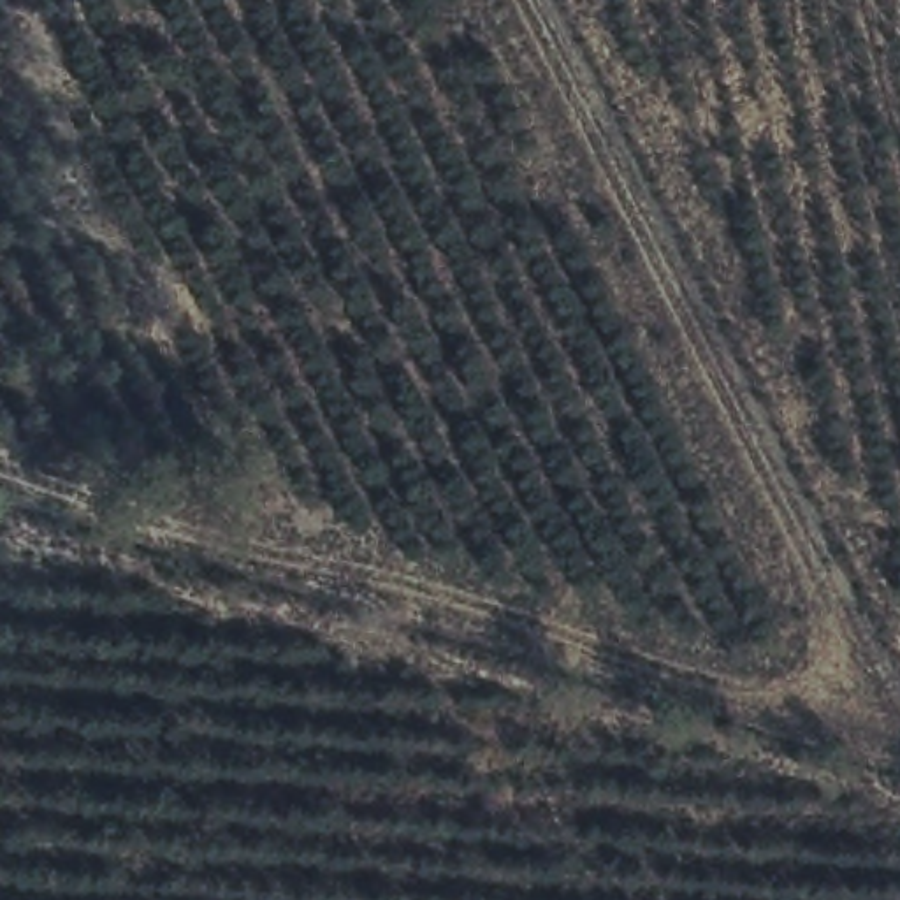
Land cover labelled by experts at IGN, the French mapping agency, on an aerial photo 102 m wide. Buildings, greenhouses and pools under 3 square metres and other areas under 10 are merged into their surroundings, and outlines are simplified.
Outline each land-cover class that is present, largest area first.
<instances>
[{"label":"coniferous trees","instance_id":"1","mask_svg":"<svg viewBox=\"0 0 900 900\"><path fill-rule=\"evenodd\" d=\"M88 4V18L74 21L70 28L74 56L81 63V74L74 81L81 95L95 98L98 113H105L102 130L84 123L77 127V141H63L49 123L28 144L46 197L56 193V186L63 183V165L81 162L95 186H109V197L120 211L113 225L134 243V250L148 253V260L158 264L169 257L172 271L204 313L214 306L221 278L236 295V306H250L253 292L246 271L236 260V243L218 225H211V264L197 267L200 250L190 246L186 225L176 218L169 197H162V179L176 176V197H190L193 204L204 197L207 186L218 190V207L236 221H243L257 204H271L274 221L288 225L281 253L302 246L306 229H320L323 236H330L327 214L313 197L309 176L302 172V162L309 155L302 151L299 137L292 130H281L278 113H271L264 98L257 116L250 120L239 109L236 88L250 77V63L264 60L274 70L285 95L302 81L306 70H313V91L302 105V116L316 127L320 151L327 155L320 162L323 179L341 186L366 169L394 165V155L380 141L376 120L362 123L355 116L345 91V77L338 74V56L345 49L327 39L313 14L348 21L355 32L390 28L404 46L408 39L432 46L454 35L461 0H165L169 32L183 42V56L162 60L144 81H137L130 91H113L95 49V25L102 21L105 28H116L120 21L109 0H81ZM197 81H207L214 88V105L221 113L218 134H197V144H232L229 162L200 176L183 158L179 130H200L204 109H176L179 127H165L162 113L151 109V102L165 91ZM675 63H721L714 42L707 28V0H689L686 25H668ZM766 46L777 56V81L791 105V151L805 176L819 169V158L812 151L809 105L805 88L798 84L791 39L784 32L780 14L773 11V0H759ZM809 49L819 67L837 60L840 70H865L861 42L858 32L851 39H840L833 32L837 18L854 21V14L851 0H802ZM738 67L745 70V67H756V53H752V39H749V25H745V14L738 18V35H731V39ZM622 63L633 67L654 95L668 88L657 74L650 42L626 39L622 56ZM348 60L355 74L369 81L362 84V95L369 98V109H380L390 123L404 172L422 190V204H408L401 193L380 190L369 200L355 204V229L348 232V239L334 243V274L320 278V267L306 264L299 271H274L267 278V292L278 295V330L292 334V348L306 366L309 383L316 387L320 415L330 418L334 436L316 432V425L306 422L309 408L302 404V390L292 383L281 355H236V373H229L236 397L229 401L218 394V376L225 369L214 355V330H193L190 338L176 341V352L190 362L200 373V383L211 390V397L204 401V418L211 425L218 418L232 429H243L246 436L264 432L267 446L278 457V471L288 478L292 492L309 510L323 506V499L316 496V482L302 478L299 454L292 450L295 443L278 425L281 418H288L299 439L306 443L309 461L327 468L334 489V499L327 506L352 531L380 524L383 538L401 552L411 559L418 548H432L436 555L461 548L468 559H478V573L485 584L506 591L499 552L513 541V555L524 566V573H541L538 548L545 545L559 573H570L566 584L577 587L580 601L601 605L598 587H608L626 608L629 629L657 626L668 615L675 633L696 636L700 622L682 608V601L671 612L650 608L661 594H675V584L686 580L696 601H707L714 608L710 626L714 640L731 629L728 601L717 587V570L724 563L731 566L735 587L745 601V619L759 629H780L770 608L773 601L749 570L735 563L738 552L724 541V531H717V510L710 499L696 506L700 520L675 524L682 489L700 482L696 468L689 464L679 443L675 422L664 415L657 401V383L650 380L640 352L633 348V327L615 313L605 278L591 267L587 246L570 229L548 236L555 253H545L541 229L534 221H510L499 211L506 200L520 197L513 183L517 169H510L506 162L485 165L482 151L468 155L457 141L443 137L436 116L418 130L411 127V109H432L411 53H404L394 63H380L369 49H352ZM429 246L443 253L454 285L464 281L475 288L482 320L492 327L489 355L468 359L461 376L446 373L436 341L422 330V313L415 299L397 302V323L394 330H383L376 323V299L362 281V264L373 260V267L383 274L390 253H411L422 288L439 295V281L432 278V264L425 257ZM573 271L587 274V295L594 299V313L612 330L615 345H598L591 330H584L580 309L566 292V278ZM524 274L534 288L548 285L552 302L563 316L559 330L584 352L591 366V383L598 387L594 397L608 422L619 411V390L605 376V362L619 359V366L633 380L636 397L643 401V418L633 429H626V446L633 457L629 478L619 475L605 478L601 485L587 482L591 468H598L608 457V443L594 439L587 418H580V394L587 387H580V373L566 376L573 366L563 352L548 348L531 306L524 309V316H506L496 295V281H510L517 295V278ZM295 285H306L313 292V306H323L330 292L341 295L345 320L366 323L369 348L355 355V380L338 376V366L327 352V338L309 327L306 313H299V302L292 299ZM408 348L418 352L415 362L418 373L429 380V394L454 408L446 422V443L454 446L461 464L450 468L443 461L432 464L425 457L415 471V461L404 450H397L394 461L408 489V506H369V489L383 482V468L373 443L376 432H359V411H383V394L376 390L373 373L383 362L404 355ZM503 373L517 380L520 397L538 401L534 415L492 408L485 418L475 408V397L489 383H499ZM439 88L454 102L450 116L457 123H475L482 116L478 88L492 84L503 105V127L524 130L510 102V88L499 81L496 63L489 60L478 67L454 63L436 70ZM717 130L731 137V148L724 151L731 158V179L742 176L749 169L752 148H742L738 141L731 88L724 81L714 84ZM823 120L830 127L837 190L854 225V246L868 250L872 295L886 341V359L872 366L875 376L886 383V408L872 415L868 397L851 401L865 461L861 468L851 464L847 443H833L830 464V471L847 485H868L872 478H882V496L875 499V506L893 524L900 520V253L882 243L879 207L900 204V109L889 120H879L872 102L840 95L837 84L823 91ZM0 190L25 218L39 267L49 278L53 302L60 306L63 320L70 323L84 352L95 355L102 334L109 330L116 295L105 281V267L98 257L102 243L84 236L77 246L98 306L88 320H81L70 274L49 246V225L32 204L14 169V158L0 144ZM795 207L784 193L777 148L770 151V176L763 179V193L749 197L745 239L766 299V341L795 345L784 330V316L777 306L780 299L791 295L805 323H816L823 316V306L816 302L812 253L798 250V288L788 292L777 278L773 243L791 236L798 243L791 214ZM703 172L693 179L700 186V200L714 214H721L728 190L721 183L714 155H696ZM4 281L14 288L18 309L28 316L35 338L42 341L49 373L56 380H70L77 366L63 355L60 338L42 323L32 292L21 278V267L14 260L4 264ZM151 341L120 338V352L98 373V387L105 394L116 390L120 373L134 366L137 387L148 397L158 432L172 429V415L165 408L162 383L155 380L144 359V348ZM49 418L35 383L28 380L25 355L14 348L0 362V446L11 450L14 439L18 446H25L35 432H42ZM404 422L408 432L422 436L436 425V418L404 376ZM113 439L141 443V429L134 418L102 422L98 415H84L77 446L81 461L95 446H105ZM0 601L21 608H91L98 615H169L190 608L186 601L169 598L165 591L148 587L144 594H130L0 584ZM334 643L316 636L302 647L190 640L109 643L11 626L0 629V650L98 661L165 657L183 664L229 668L236 661L320 664ZM0 686L91 689L120 696L134 693L151 700H214L264 707L278 703L306 710H418L443 714L446 721H457V728L464 731V738H418L345 735L309 728H250L193 717L88 721L53 710L0 714V731H67L81 738L158 742L221 738L239 745L278 749H341L446 759L457 756L471 763L475 752H482V738L468 735L475 721L492 728L499 717H513L517 724L545 721L555 728L587 724L591 721L594 703L601 696L598 693L587 686L570 689L563 679L548 682L541 696L499 686L496 696L471 700L429 693L327 686L288 689L271 682L214 686L105 671L67 675L0 668ZM710 721L707 714L671 707L647 738L661 742L664 752L654 773H647L643 788H584L587 805L636 809L647 816H686L693 823L710 826L721 819L749 816L788 823L833 819L847 826H868L879 805L872 795H833L819 788L816 802L671 795V773H721L735 759L700 742ZM517 752L524 766H570L573 763V752L566 749L520 745ZM0 770H74L113 777L169 773L190 784L236 780L288 788L404 791L422 798L475 795L489 802L499 788L489 784L485 773L471 770L464 780H457L436 773L404 777L390 770H309L281 763L243 766L207 759L176 763L74 752H0ZM570 788V784L513 791V805H548L563 802ZM0 809H49L84 819L123 816L200 823L207 830L253 826L281 833H352L506 847L563 844V861L555 865H492L274 851L253 844L197 847L186 840H151L120 833L74 837L56 830H0V847H53L105 858L102 875L0 868V886L70 896L127 893L193 900H387L362 893H302L281 886L257 889L183 879L144 882L134 872L155 858L186 865H288L323 872H383L415 879H485L520 886H577L629 893L657 889L742 900H900V889L650 875V854H696L752 865L788 861L819 868H872L868 851H819L802 844H714L577 826H545L366 819L348 816L341 809H190L176 798L127 802L0 791Z\"/></svg>","mask_w":900,"mask_h":900},{"label":"bare soil","instance_id":"2","mask_svg":"<svg viewBox=\"0 0 900 900\"><path fill-rule=\"evenodd\" d=\"M88 18V4L81 0H0V70L14 67L25 81L39 88V109L49 123L63 141H77V127L84 123L102 130L105 113H98L95 98L81 95L74 81L81 74V63L74 56L70 28L74 21ZM120 21L127 25L134 49L144 56V63L134 70L137 81H144L162 60L183 56V42L169 32L165 0H109ZM545 14V35L559 42V56L570 77L580 84V95L594 109L605 137L612 141L640 200L647 204V214L654 218V229L671 257L689 309L710 334L707 352L724 366V394L731 401H742V415L756 429L752 450L763 461H773L780 471L788 468V475H780L788 503L798 510V520L809 527L812 541H826L823 563L833 570L823 584L847 605V612L844 622L837 615H809V668L788 671L770 682L724 671L717 693L728 700L731 714H759L773 703H784L788 696H798L809 703V710L819 714L823 728L830 731V749L802 752L798 759H791L773 752L749 731H728L710 721L700 742L735 759L759 763L766 773L812 780L819 788L833 795H872L879 805H889L900 795V520L893 524L875 506V499L882 496V478H872L868 485H847L830 471V464L812 446L809 422L830 411L833 443H847L851 464L861 468L865 461L851 401L840 397L851 390L847 376L830 380V373L823 369L816 373L819 404L809 408L805 383L795 376V345L766 341V323L752 320L742 309V257L735 253L724 232L721 214H714L700 200V186L693 179L703 172L696 155H714L721 183L728 190L731 179V158L724 151L731 148V137L717 130L714 84L703 81L696 102L700 130L682 127V113L671 105L668 88L654 95L633 67L622 63V56L612 49V35L601 28V0H538ZM745 14V25H749V39H752V53H756V67H745V70L738 67L731 39L724 35L714 42L721 63L724 81L731 88L738 141L742 148H752L749 169L742 176L749 197L763 193V179L770 176V151L777 148L784 193L795 207L791 214L798 243V250L812 253L816 302L823 306V316L816 323H805L791 295L780 299L777 306L784 316V330L795 345L802 338L819 341L833 334L830 313H837V302L830 253H851L854 246V225L837 190L830 127L823 120V91L819 67L809 49L802 0H773V11L780 14L784 32L791 39L798 84L805 88L809 105L812 151L819 158V169L805 176L791 151V105L777 81V56L766 46L759 0H742ZM809 190L823 193V204L833 221L826 250H816L809 229ZM833 32L840 39H851L858 32L861 42L886 46V35L879 28H868V18H861L858 11L854 14V21L837 18ZM327 39L345 49L338 56V74L345 77V91L355 116L362 123L376 120L380 141L394 155V165L366 169L341 186L323 179L320 162L327 155L320 151L316 127L302 116V105L313 91V70H306L302 81L285 95L274 70L264 60L250 63V77L236 88L239 109L250 120L257 116L264 98L271 113H278L281 130H292L299 137L302 151L309 155L302 162V172L309 176L313 197L327 214L330 236H323L320 229H306L302 246L281 253L288 225L274 221L271 204H257L243 221H236L218 207V190L207 186L204 197L193 204L190 197H176V176L162 179V197H169L176 218L186 225L190 246L200 250L197 267L211 264V225H218L236 243V260L246 271L253 292L250 306H236V295L221 278L214 306L204 313L172 271L169 257L158 264L148 260V253L134 250V243L113 225L120 211L109 197V186H95L81 162L63 165V183L56 186V193L46 197L28 144L18 137L14 123L0 127V144L14 158V169L32 204L49 225V246L70 274L81 320H88L98 306L77 246L84 236L102 243L98 257L105 267V281L116 295L109 330L120 338L151 341L179 369H186L190 362L176 352V341L190 338L193 330H214V355L225 369L218 376V394L229 401L236 397L229 373H236V355H281L292 383L302 390V404L309 408L306 422L316 425V432L334 436L330 418L320 415L316 387L309 383L306 366L292 348V334L278 330V295L267 292V278L274 271H299L306 264L320 267V278L334 274V243L348 239V232L355 229V204L369 200L380 190L401 193L408 204H422V190L404 172L390 123L380 109H369V98L362 95V84L369 81L355 74L348 60L352 49H369L380 63H394L404 53H411L432 109H411V127L418 130L436 116L443 137L457 141L468 155L482 151L485 165L506 162L510 169H517L527 148H534V137L524 130L503 127V105L492 84L478 88L482 116L475 123H457L450 116L454 102L439 88L436 70L454 63L478 67L489 60V49L478 39L454 35L432 46L408 39L404 46L390 28L355 32L348 21L313 14ZM204 109L200 130H179L183 158L200 176L229 162L232 144H197V134H218L221 113L214 105V88L207 81H197L165 91L151 102V109L162 113L165 127H179L176 109ZM499 211L510 221H534L541 229L545 253H555L548 236L570 229L566 214L555 204L520 197L506 200ZM425 257L432 264V278L439 281V295L422 288L411 253H390L383 274L373 267V260L362 264V281L376 299V323L383 330H394L397 323V302L415 299L422 313V330L436 341L446 373L461 376L468 359L489 355L492 327L482 320L475 288L464 281L454 285L443 253L429 246ZM566 292L580 309L584 330H591L598 345H615L612 330L594 313V299L587 295V274L573 271L566 278ZM496 295L506 316H524V309L531 306L548 348L563 352L573 366L566 376L580 373V387H587L580 394V418H587L594 439L608 443V457L598 468H591L587 482L601 485L605 478L619 475L629 478L633 457L626 446V429H633L643 418V401L636 397L633 380L619 366V359L605 362V376L619 390V411L608 422L594 397L598 387L591 383V366L584 352L559 330L563 316L552 302L548 285L534 288L524 274L517 278V295L510 281H496ZM313 292L306 285H295L292 299L299 302V313H306L309 327L327 338V352L338 366V376L355 380V355L369 348L366 323L345 320L341 295L330 292L323 306H313ZM418 352L408 348L404 355L383 362L373 373L376 390L383 394V411H359V432H376L373 443L383 468V482L369 489V506H408V489L394 461L397 450H404L415 461V471L425 457L432 464L443 461L450 468L461 464L454 446L446 443V422L454 408L429 394V380L418 373L415 362ZM404 376L436 418V425L422 436L408 432L404 422ZM475 408L485 418L492 408L534 415L538 401L520 397L517 380L503 373L499 383H489L475 397ZM278 425L295 443L292 450L299 454L302 478L316 482V496L323 499V506L309 510L292 492L264 499V513H288L295 527L309 534L323 531V520L334 513L327 506L334 499V489L327 468L309 461L306 443L299 439L288 418H281ZM0 492L11 503L42 499V482L35 478L25 475L21 461L11 457V450L0 446ZM710 499L707 485L700 482L682 489L675 524L700 520L696 506ZM21 552H32L39 559L49 555L77 566H98L88 538L49 534L46 527L21 520L7 534V545H0V563H18ZM141 541L120 545L102 566L144 577L148 587L165 591L169 598L186 601L190 608H204L214 619H278L281 626L309 629L316 636L334 643L345 650L348 668L380 657H401L408 668H418L425 679H432L471 675L499 686L541 696L548 682L475 657H461L446 647L408 640L415 622L401 608V594L376 591L359 573H348V566H341L330 570V584L320 591L359 605L362 619H341L320 615L309 605L243 598L236 584H176L172 577L158 573L148 559H137ZM717 587L728 601L731 629L714 640L717 647L735 650L759 629L745 619V601L735 587L731 566L724 563L717 570ZM682 601V608L700 622L710 626L714 608L707 601H696L686 580L675 584V594H661L650 608L671 612ZM612 675L601 668L594 650L577 668H570L563 679L570 689L587 686L598 693L608 686ZM671 707H615V700L601 696L594 703L591 721L647 738Z\"/></svg>","mask_w":900,"mask_h":900},{"label":"brushwood","instance_id":"3","mask_svg":"<svg viewBox=\"0 0 900 900\"><path fill-rule=\"evenodd\" d=\"M745 14L742 0H707V28L714 42L724 35L731 39V35H738V18ZM657 21V35L650 42L657 74L668 88L671 105L682 113V127L700 130L696 102L703 81L714 84L724 81L721 63H675L668 25L664 4H643ZM95 49L113 91H130L137 81L134 70L144 63V56L134 49L127 25L120 21L116 28H105L102 21L95 25ZM14 123L18 137L28 144L49 123L39 109V88L25 81L14 67L0 70V127ZM14 260L21 267V278L32 292L42 323L60 338L63 355L77 366L70 380H56L49 373L42 341L35 338L28 316L18 309L14 288L4 281V264ZM14 348L25 355L28 380L35 383L49 418L42 432H35L25 446H18L14 439L11 450V457L21 461L25 475L35 478L53 475L91 485V506L98 510V517L116 506L134 471H141L155 457L179 461L197 443L211 439V425L204 418V401L211 397V390L200 383V373L190 362L186 369H179L151 341L144 348V359L155 380L162 383L165 408L172 415V429L158 432L148 397L137 387L134 366L120 373L116 390L105 394L98 387V373L120 352V338L109 330L102 334L95 355L84 352L70 323L63 320L60 306L53 302L49 278L39 267L25 218L0 190V362ZM84 415H98L102 422L134 418L141 429V443L113 439L105 446H95L81 461L77 446ZM833 334L819 341L816 362L823 369L830 373V380L847 376L851 390L840 397L851 401L868 397L872 415L886 408V383L875 376L872 366V330L865 320L861 292L847 295V302H837V313H830ZM0 584L130 594H144L148 587L144 577L102 566H77L49 555L39 559L32 552H21L18 563H0ZM11 626L109 643L190 640L302 647L316 636L309 629L281 626L278 619H214L204 608H190L169 615H98L91 608H21L0 601V629ZM0 668L67 675L105 671L214 686L271 682L288 689L327 686L429 693L432 679H425L418 668H408L401 657H380L348 668L345 650L334 643L320 664L236 661L229 668L183 664L165 657L98 661L0 650ZM53 710L88 721L193 717L250 728H309L345 735L418 738H464V731L457 728V721H446L443 714L418 710H306L278 703L264 707L214 700H151L134 693L120 696L91 689L0 686V714ZM601 745L598 759L573 763L570 766V788H643L647 773H654L664 752L661 742L647 738L591 721L587 724ZM0 752H74L176 763L207 759L243 766L281 763L309 770H390L404 777L436 773L457 780H464L471 770V763L457 756L446 759L341 749H278L239 745L221 738L158 742L81 738L67 731H0ZM671 795L816 802L819 788L812 780L766 773L759 763L735 759L721 773H671ZM0 791L127 802L176 798L190 809H341L348 816L366 819L545 826L548 805H513L496 809L489 802L475 795L422 798L404 791L288 788L236 780L190 784L169 773L113 777L74 770H0ZM577 826L714 844H802L819 851H868L872 868H819L788 861L752 865L696 854H650V875L900 889V795L889 805H879L868 826H847L833 819L788 823L749 816L721 819L710 826L693 823L686 816H647L636 809L587 805L573 812ZM0 830H56L74 837L120 833L151 840H186L197 847L253 844L274 851L492 865H555L563 861V844L506 847L352 833H281L253 826L207 830L200 823L123 816L84 819L49 809H0ZM0 868L102 875L105 858L53 847H0ZM144 882L183 879L257 889L281 886L302 893H362L387 900H742L657 889L629 893L577 886H520L485 879H415L383 872H323L288 865H186L155 858L134 872ZM0 900H193L127 893L70 896L0 886Z\"/></svg>","mask_w":900,"mask_h":900},{"label":"herbaceous vegetation","instance_id":"4","mask_svg":"<svg viewBox=\"0 0 900 900\"><path fill-rule=\"evenodd\" d=\"M520 32V21L510 0H461L454 35L478 39L489 49V60L496 63L499 81L510 88V102L524 130L534 137V148H527L517 169L513 183L520 197L555 204L566 214L570 229L587 246L591 267L605 278L615 313L633 327V348L640 352L650 380L657 383V401L664 415L675 422L679 443L689 464L696 468L700 482L707 485L710 499L717 510V531H724V541L738 552L735 563L749 570L773 601L770 608L780 629H759L735 650L717 647L714 640L710 626L700 622L696 636L675 633L668 615L657 626L629 629L626 608L608 587H598L601 605L580 601L577 587L566 584L570 573H559L545 545L538 548L541 573H524V566L513 555V541L499 552L506 591L485 584L478 573V559H468L461 548L436 555L432 548H418L411 559L432 580L468 587L475 594H496V601L506 605L492 612V619H475L454 608H425L422 622H415L408 640L446 647L461 657H475L548 682L563 679L570 668L563 647L548 640L563 622L594 629V650L601 668L612 675L608 686L598 693L601 696L615 700V707H671L707 714L710 721L728 731H749L773 752L791 759H798L802 752L830 749V731L823 728L819 714L809 710V703L798 696H788L784 703H773L759 714H731L728 700L717 693L724 671L770 682L788 671L809 668V615L802 577L798 570L780 573V534L770 513L759 506L714 404L703 397L700 380L693 387L679 383L686 352L668 323V313L643 264L636 260L626 225L594 190L591 162L566 120L559 95L548 88L545 77L524 70L520 56L531 53V42L510 46V35ZM601 28L612 35V49L622 56L626 39L650 42L657 35V21L643 4H664L668 25H686L689 0H601ZM858 11L861 18H868V28H879L886 35V46L861 42L865 70H840L837 60L819 67L823 91L837 84L840 95L872 102L879 120H889L900 109V0H851L854 14ZM749 197L742 176L731 179L728 190L721 214L724 232L735 253L742 257V309L752 320L766 323V299L745 239ZM809 229L816 250H826L833 221L823 204V193L809 190ZM882 243L900 253V204L879 207ZM798 243L791 236L773 243L777 278L788 292L798 288ZM837 302H847V295L861 292L865 320L872 330V366L886 359V341L872 295L868 250L854 246L851 253H830ZM819 341L802 338L795 345V376L805 383L809 408L819 404L816 373L823 369L816 362ZM812 446L830 464L833 443L830 411L809 422ZM21 520L46 527L49 534L88 538L91 527L77 513H70L67 503L42 499L11 503L0 492V545H7V534ZM165 517L200 524L204 510L197 503L179 499L172 513L148 506L141 524L162 527ZM260 538L306 545L313 552H334L341 566H348V573H359L366 563L394 566L401 552L383 538L380 524L352 531L334 513L323 520V531L309 534L295 527L288 513H264ZM137 559H148L158 573L172 577L176 584H236L243 598L309 605L320 615L341 619H362L359 605L320 591H306L302 573L295 570L264 566L253 559H243L239 566L225 563L207 559L193 545L144 541H141ZM499 686L471 675L432 679L429 693L471 700L496 696ZM468 735L482 738V752H475L471 763V770L485 773L489 784L499 788L489 802L496 809L513 805V791L570 784V766H524L517 752L520 745L566 749L573 752V763L598 759L601 745L587 724L555 728L545 721L517 724L513 717H499L492 728L475 721ZM587 805L584 788H570L563 802L548 805L545 826H577L573 812Z\"/></svg>","mask_w":900,"mask_h":900},{"label":"pervious surface","instance_id":"5","mask_svg":"<svg viewBox=\"0 0 900 900\"><path fill-rule=\"evenodd\" d=\"M520 21V32L510 35V46L531 42V53L520 56L524 70L545 77L548 88L559 95L566 120L591 162L594 190L626 225L636 260L643 264L668 313V323L686 352L679 383L693 387L700 380L703 397L714 404L759 506L770 513L780 534V573L798 570L802 577L809 615H837L844 622L847 612V605L823 584L833 570L823 563L826 541H812L809 527L798 520V510L788 503L780 475H788V468L780 471L773 461H763L752 450L756 429L742 415V401H731L724 394V366L707 352L710 334L689 309L671 257L654 229V218L647 214V204L640 200L612 141L605 137L594 109L580 95V84L570 77L559 56V42L545 35V14L538 0H510ZM42 482V499L67 503L70 513H77L91 527L98 524V510L91 506V485L53 475L35 478ZM137 534L144 541L193 545L207 559L225 563L229 534L221 527L200 524L165 517L162 527L141 524ZM264 566L295 570L302 573L306 591H320L330 584V570L341 566L334 552H313L306 545L260 538L253 559ZM376 591L401 594V608L415 622H422L425 608H454L475 619H492V612L506 605L496 601V594H475L468 587L432 580L411 559L401 552L394 566L366 563L359 573ZM548 640L563 647L570 668H577L594 650V629L563 622Z\"/></svg>","mask_w":900,"mask_h":900},{"label":"deciduous trees","instance_id":"6","mask_svg":"<svg viewBox=\"0 0 900 900\"><path fill-rule=\"evenodd\" d=\"M292 492L288 478L278 471V457L267 446L264 432L246 436L243 429H232L218 418L211 425V439L197 443L179 461L155 457L141 471H134L116 506L98 517V524L91 527L88 538L98 566H102L120 545L141 541H144L137 534L141 524L148 506L172 513L179 499L197 503L204 510L200 524L221 527L229 534L225 563L239 566L243 559H253L260 538L264 513V499Z\"/></svg>","mask_w":900,"mask_h":900}]
</instances>
